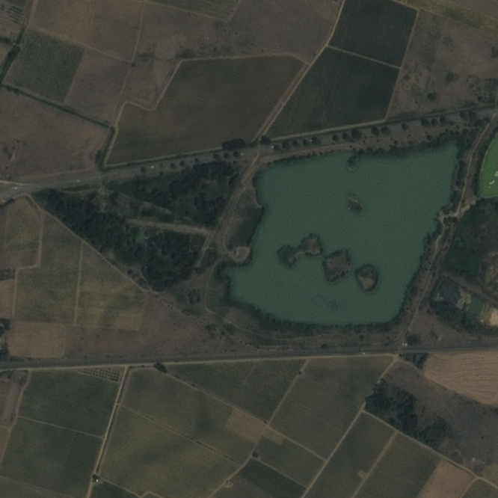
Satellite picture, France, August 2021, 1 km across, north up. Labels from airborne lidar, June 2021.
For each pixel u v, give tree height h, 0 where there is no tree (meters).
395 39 0
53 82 0
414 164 0
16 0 0
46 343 0
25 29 0
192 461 0
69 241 0
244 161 0
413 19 0
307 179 0
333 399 0
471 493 0
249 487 0
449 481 0
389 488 0
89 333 0
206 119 0
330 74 0
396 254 0
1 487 0
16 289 0
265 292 0
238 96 0
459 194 13
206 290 0
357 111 0
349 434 0
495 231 0
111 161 0
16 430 0
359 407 0
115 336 0
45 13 0
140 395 0
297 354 0
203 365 0
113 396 0
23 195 0
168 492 0
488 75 0
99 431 0
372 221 0
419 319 0
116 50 0
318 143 18
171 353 0
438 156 0
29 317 0
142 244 11
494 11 0
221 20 0
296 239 0
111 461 0
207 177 13
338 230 0
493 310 0
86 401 0
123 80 0
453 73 0
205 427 0
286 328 0
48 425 0
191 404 0
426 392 0
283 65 0
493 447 0
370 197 0
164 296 0
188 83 0
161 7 0
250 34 0
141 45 0
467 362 0
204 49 0
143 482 0
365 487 0
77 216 24
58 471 0
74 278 0
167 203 9
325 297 0
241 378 0
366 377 0
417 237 0
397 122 0
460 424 0
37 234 0
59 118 0
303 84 0
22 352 0
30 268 0
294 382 0
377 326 12
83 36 0
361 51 0
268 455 0
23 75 0
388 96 0
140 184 13
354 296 0
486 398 0
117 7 0
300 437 0
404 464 0
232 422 0
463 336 0
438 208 0
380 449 0
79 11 0
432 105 0
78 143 0
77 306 0
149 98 0
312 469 0
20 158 0
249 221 0
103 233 21
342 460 0
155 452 0
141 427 0
